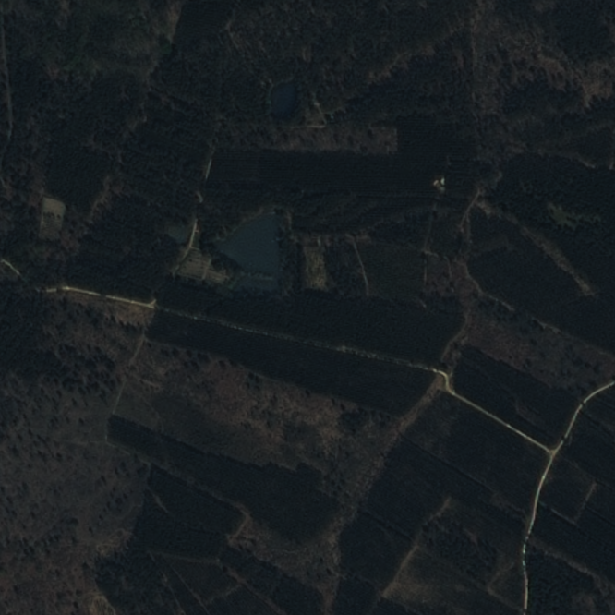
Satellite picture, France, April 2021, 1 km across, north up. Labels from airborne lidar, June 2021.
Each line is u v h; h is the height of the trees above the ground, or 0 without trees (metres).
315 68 17
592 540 12
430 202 11
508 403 10
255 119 22
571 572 13
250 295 12
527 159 12
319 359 10
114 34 17
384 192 10
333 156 10
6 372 12
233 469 14
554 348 8
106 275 20
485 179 20
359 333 16
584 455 10
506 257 11
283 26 16
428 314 14
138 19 22
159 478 17
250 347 11
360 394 11
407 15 22
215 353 10
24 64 16
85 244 18
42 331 11
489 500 10
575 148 13
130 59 13
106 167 17
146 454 13
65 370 12
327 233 11
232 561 13
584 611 12
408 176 12
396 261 8
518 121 14
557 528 13
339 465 8
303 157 12
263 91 20
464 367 8
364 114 20
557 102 16
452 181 12
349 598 13
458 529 15
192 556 17
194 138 16
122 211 19
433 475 11
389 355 15
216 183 7
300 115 20
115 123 14
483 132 16
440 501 12
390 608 12
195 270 0
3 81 8
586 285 0
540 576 14
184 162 6
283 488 12
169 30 18
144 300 17
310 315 17
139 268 21
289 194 19
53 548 11
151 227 22
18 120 14
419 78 21
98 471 9
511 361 8
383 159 11
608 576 14
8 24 16
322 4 18
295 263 16
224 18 9
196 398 9
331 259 14
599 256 12
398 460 14
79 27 17
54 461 12
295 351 10
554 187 12
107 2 15
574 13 15
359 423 15
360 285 15
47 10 17
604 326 12
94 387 13
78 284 18
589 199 10
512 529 12
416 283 8
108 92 18
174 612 16
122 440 12
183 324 8
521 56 7
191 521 17
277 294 11
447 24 20
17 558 10
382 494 13
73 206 15
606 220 10
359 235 10
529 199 11
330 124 19
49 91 13
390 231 11
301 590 14
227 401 8
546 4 10
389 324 18
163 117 11
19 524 9
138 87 16
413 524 11
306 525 14
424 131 12
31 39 17
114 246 17
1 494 7
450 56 19
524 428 12
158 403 0
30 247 11
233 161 9
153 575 15
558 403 11
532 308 10
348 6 19
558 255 0
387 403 9
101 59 17
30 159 13
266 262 0
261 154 9
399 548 9
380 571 10
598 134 12
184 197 22
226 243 0
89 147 8
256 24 12
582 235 12
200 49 26
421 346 17
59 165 15
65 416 7
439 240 8
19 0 12
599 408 9
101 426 0
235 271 17
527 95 16
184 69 21
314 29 19
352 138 9
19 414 13
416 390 9
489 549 12
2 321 7
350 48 19
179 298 17
